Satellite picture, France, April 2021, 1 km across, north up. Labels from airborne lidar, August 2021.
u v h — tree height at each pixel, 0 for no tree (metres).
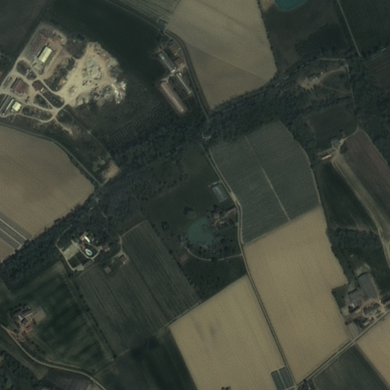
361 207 0
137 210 15
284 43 0
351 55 14
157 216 0
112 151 8
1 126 0
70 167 0
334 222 0
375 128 13
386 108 18
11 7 0
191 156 0
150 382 0
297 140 15
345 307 0
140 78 0
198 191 0
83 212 19
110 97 0
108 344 8
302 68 10
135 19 0
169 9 0
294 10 0
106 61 0
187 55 0
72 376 0
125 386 0
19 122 0
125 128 8
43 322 0
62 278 0
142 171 20
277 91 11
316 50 6
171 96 0
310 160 9
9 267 22
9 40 0
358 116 13
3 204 0
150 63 0
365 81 20
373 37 7
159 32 0
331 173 0
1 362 0
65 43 0
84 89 0
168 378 0
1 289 0
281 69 0
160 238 13
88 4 0
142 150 32
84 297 12
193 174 0
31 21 0
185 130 17
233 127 15
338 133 0
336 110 0
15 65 0
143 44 0
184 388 0
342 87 0
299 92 13
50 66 0
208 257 0
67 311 0
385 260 0
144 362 0
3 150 0
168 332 0
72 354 0
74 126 0
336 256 11
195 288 11
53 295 0
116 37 0
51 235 18
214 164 0
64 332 0
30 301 0
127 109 0
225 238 8
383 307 0
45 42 0
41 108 0
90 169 0
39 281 0
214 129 18
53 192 0
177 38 0
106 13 0
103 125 0
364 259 0
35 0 0
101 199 18
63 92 0
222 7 0
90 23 0
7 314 0
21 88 0
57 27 0
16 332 9
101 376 0
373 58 19
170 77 6
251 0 0
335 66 0
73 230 11
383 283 0
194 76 0
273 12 0
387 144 18
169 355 0
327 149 0
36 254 19
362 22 7
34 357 8
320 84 0
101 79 0
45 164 0
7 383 20
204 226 6
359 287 7
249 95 16
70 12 0
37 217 0
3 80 0
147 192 12
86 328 0
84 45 0
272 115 9
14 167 0
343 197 0
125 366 0
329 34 7
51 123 0
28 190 0
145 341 0
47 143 0
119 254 0
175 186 11
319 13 0
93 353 0
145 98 0
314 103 9
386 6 12
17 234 0
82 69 0
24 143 0
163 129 25
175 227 0
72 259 0
